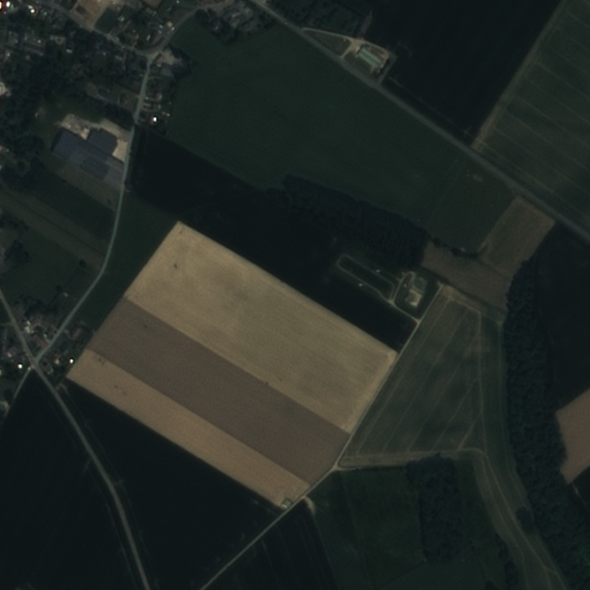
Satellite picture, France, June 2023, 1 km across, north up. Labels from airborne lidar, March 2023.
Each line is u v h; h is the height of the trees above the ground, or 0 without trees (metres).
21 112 11
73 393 0
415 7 0
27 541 0
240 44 0
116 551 0
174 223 0
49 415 0
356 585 0
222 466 0
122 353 0
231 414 0
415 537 0
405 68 0
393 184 0
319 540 0
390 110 0
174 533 0
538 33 0
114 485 0
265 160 0
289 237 0
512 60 0
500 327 0
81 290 0
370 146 0
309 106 0
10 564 0
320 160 0
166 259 0
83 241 0
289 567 0
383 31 0
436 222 0
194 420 0
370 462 0
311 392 0
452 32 0
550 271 0
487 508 0
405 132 0
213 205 0
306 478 0
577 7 0
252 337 0
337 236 0
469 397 0
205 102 0
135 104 0
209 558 0
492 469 0
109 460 0
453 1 0
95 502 0
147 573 0
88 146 0
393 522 0
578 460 0
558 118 0
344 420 0
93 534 0
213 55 0
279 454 0
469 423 0
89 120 0
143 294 0
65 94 23
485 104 0
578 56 0
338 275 0
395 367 0
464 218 0
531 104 0
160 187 0
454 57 0
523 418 22
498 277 0
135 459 0
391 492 0
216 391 0
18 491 0
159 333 0
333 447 0
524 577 0
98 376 0
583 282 0
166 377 0
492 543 0
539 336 19
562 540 29
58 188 0
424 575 0
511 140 0
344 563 0
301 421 0
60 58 9
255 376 0
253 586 0
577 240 0
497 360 0
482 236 0
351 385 0
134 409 0
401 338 0
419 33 0
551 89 0
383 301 0
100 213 0
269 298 0
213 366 0
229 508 0
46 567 0
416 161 0
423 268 0
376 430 0
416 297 0
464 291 0
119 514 0
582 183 0
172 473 0
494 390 0
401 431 0
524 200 0
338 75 0
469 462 0
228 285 0
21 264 10
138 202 0
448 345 0
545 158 0
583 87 0
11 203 0
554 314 0
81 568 0
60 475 0
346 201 32
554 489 28
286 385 0
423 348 0
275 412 0
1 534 0
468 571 0
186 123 0
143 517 0
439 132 0
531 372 17
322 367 0
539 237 0
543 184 0
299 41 0
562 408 0
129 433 0
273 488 0
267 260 0
